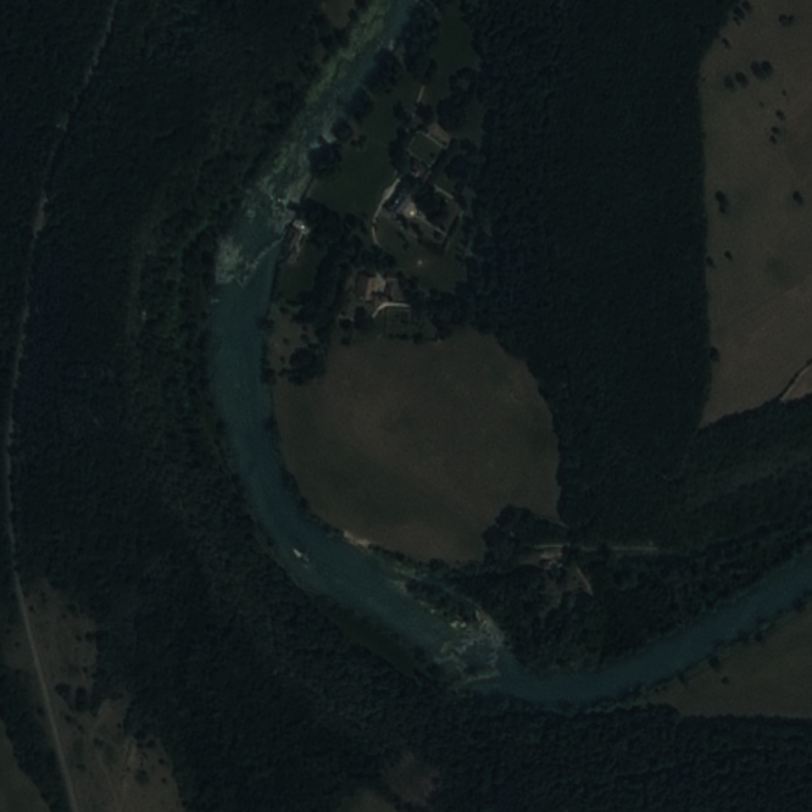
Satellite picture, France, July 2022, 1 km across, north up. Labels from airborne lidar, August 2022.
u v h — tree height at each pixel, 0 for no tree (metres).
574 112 22
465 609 14
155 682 14
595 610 32
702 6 18
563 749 24
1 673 9
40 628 0
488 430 0
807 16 0
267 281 0
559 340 16
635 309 18
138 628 15
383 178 0
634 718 18
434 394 0
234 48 16
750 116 0
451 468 0
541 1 15
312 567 0
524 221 25
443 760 16
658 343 21
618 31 15
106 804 0
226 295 0
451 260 0
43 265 19
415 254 0
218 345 0
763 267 0
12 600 9
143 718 8
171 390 22
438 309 27
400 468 0
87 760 0
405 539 0
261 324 15
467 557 0
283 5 21
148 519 16
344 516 0
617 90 15
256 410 0
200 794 19
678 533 15
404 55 0
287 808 6
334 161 27
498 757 20
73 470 15
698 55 16
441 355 0
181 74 13
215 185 22
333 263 18
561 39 19
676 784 24
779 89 0
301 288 0
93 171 23
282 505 0
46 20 19
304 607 25
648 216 14
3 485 9
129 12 10
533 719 26
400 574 0
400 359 0
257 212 0
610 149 13
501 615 11
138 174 17
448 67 0
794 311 0
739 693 0
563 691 0
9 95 17
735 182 0
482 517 0
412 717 15
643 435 16
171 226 16
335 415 0
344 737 8
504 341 17
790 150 0
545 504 0
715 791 19
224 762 9
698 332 17
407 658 0
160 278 20
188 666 12
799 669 0
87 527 13
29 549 6
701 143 13
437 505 0
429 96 0
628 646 11
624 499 16
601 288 18
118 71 21
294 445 0
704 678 0
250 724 17
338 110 0
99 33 13
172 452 19
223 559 15
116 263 10
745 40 0
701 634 0
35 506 14
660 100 13
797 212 0
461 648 0
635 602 5
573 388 17
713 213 0
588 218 17
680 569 22
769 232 0
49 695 0
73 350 16
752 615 0
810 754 13
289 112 17
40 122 19
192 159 9
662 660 0
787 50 0
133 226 7
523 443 0
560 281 23
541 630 16
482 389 0
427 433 0
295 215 22
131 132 17
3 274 20
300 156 0
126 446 16
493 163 24
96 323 15
